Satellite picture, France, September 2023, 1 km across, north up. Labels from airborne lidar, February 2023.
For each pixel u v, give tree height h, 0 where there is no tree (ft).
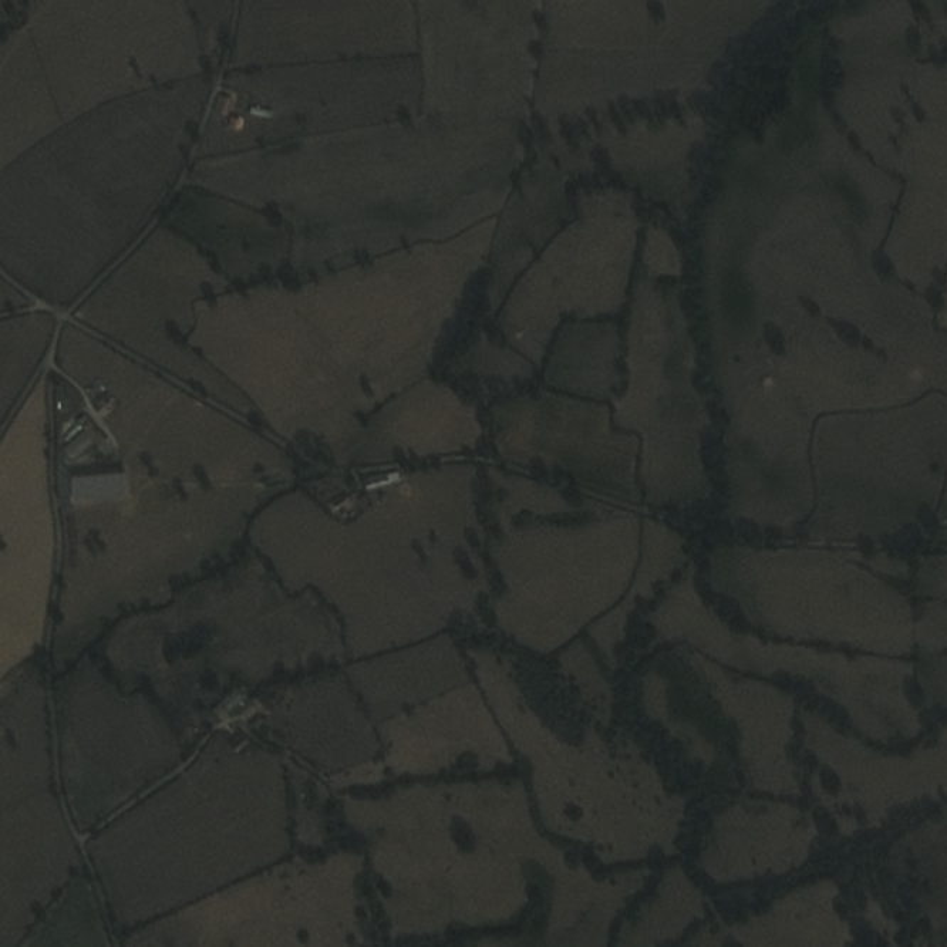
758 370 0
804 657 0
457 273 0
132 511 0
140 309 0
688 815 30
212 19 0
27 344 0
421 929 0
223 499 0
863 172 0
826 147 0
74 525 0
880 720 0
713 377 0
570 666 0
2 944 0
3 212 0
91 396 0
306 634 0
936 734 25
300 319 0
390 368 0
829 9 75
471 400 55
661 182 0
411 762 0
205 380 0
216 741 0
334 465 86
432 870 0
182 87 0
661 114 63
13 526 0
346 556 0
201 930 0
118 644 0
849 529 0
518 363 0
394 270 0
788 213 0
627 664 31
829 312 0
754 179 0
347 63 25
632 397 0
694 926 22
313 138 0
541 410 0
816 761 32
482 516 60
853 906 66
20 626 0
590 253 0
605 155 47
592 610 0
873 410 0
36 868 0
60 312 0
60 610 35
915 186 0
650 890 60
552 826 0
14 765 0
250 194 0
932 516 55
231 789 0
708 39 0
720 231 0
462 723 0
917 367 0
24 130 0
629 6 0
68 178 0
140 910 0
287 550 0
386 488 0
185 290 0
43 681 33
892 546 49
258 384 0
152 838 0
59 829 0
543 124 61
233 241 0
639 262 25
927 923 31
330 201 0
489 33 0
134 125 0
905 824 26
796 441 0
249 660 0
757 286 0
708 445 66
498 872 0
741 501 0
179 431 0
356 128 0
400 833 0
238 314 0
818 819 40
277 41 0
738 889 45
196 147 0
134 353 0
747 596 0
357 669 0
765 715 0
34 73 0
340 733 0
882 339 0
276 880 0
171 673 0
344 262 0
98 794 0
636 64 0
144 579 0
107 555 0
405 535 0
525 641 0
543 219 0
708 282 0
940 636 0
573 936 0
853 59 0
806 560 0
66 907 0
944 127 0
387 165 0
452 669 0
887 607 0
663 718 0
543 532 0
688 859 47
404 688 0
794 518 0
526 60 0
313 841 0
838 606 0
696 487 0
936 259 0
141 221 0
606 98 0
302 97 0
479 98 0
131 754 0
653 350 0
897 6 0
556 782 0
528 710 0
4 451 0
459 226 0
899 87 0
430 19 0
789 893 23
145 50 0
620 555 0
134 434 0
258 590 0
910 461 0
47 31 0
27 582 0
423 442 0
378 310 0
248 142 0
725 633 0
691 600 0
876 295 0
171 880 0
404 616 0
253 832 0
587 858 66
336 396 0
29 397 0
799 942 0
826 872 54
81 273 0
